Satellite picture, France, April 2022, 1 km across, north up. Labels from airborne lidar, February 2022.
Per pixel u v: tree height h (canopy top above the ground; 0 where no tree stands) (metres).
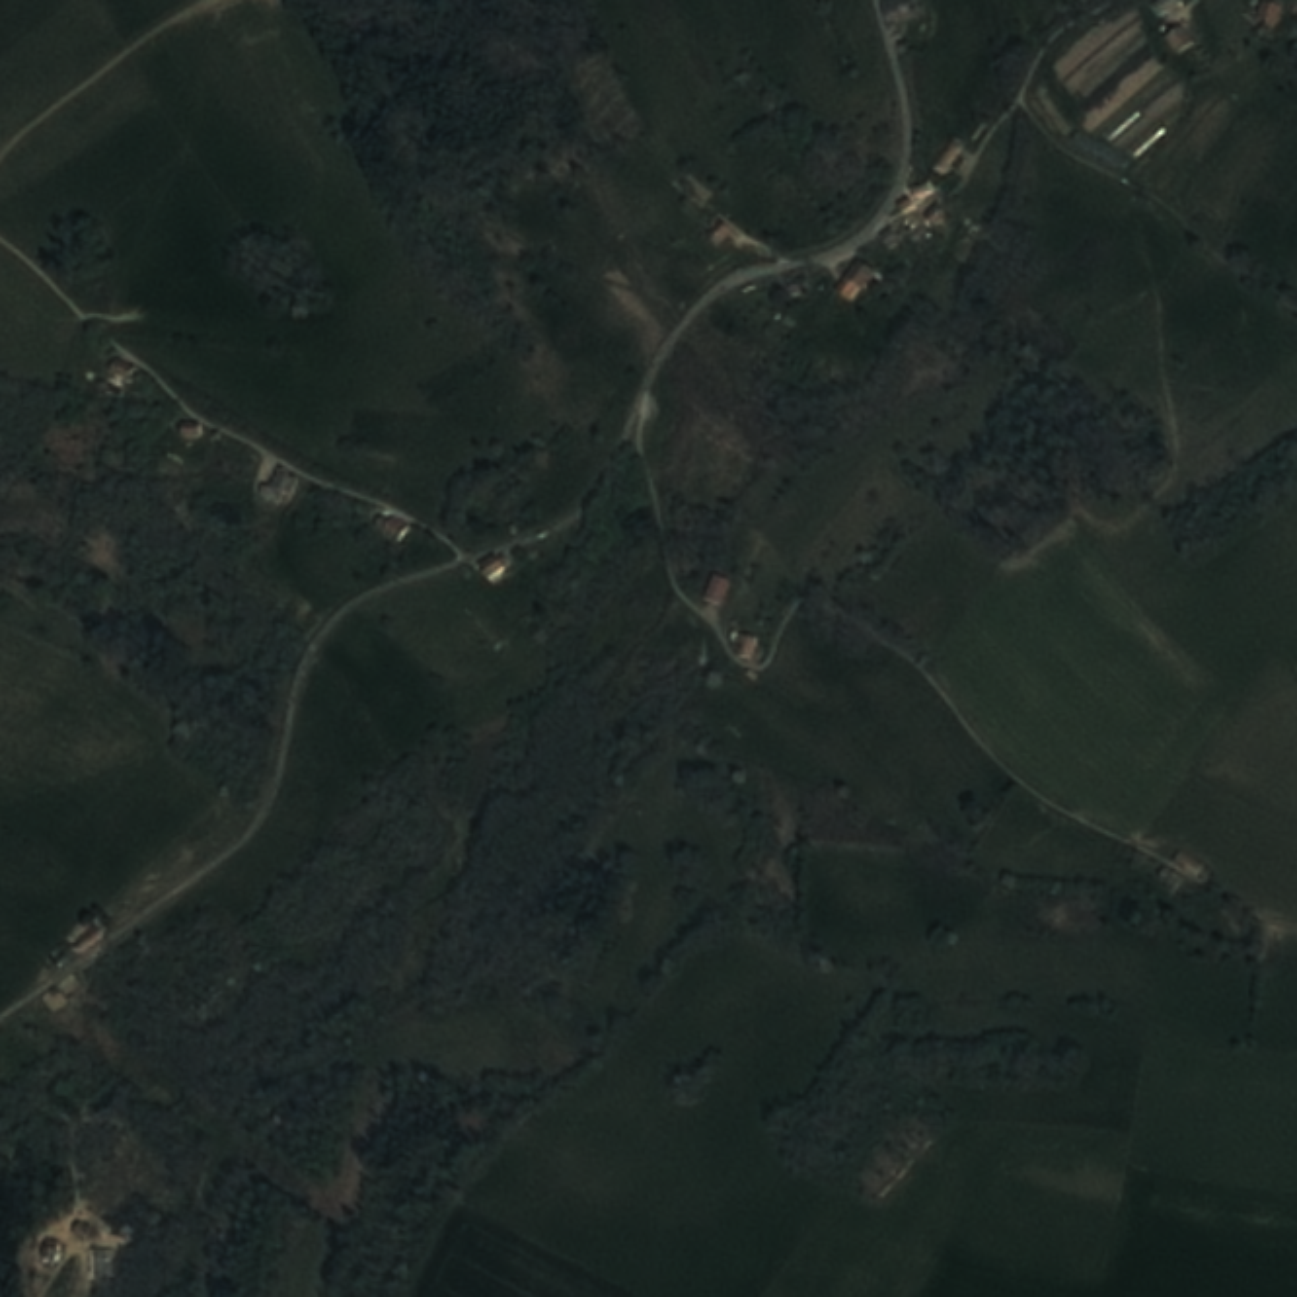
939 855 0
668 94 0
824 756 0
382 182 28
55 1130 22
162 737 0
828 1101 13
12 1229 16
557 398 0
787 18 0
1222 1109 0
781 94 6
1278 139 0
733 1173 0
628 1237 0
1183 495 0
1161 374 0
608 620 13
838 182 26
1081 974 0
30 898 0
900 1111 7
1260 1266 0
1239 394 0
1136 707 0
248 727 24
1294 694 0
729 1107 0
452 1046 0
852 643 25
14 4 0
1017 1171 0
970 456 0
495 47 33
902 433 0
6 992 0
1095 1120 0
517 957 22
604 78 0
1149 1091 0
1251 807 0
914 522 0
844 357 0
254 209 0
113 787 0
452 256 14
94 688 0
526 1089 9
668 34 0
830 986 0
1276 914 0
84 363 0
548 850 20
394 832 10
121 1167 0
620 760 7
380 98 21
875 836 0
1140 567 0
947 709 0
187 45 0
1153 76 0
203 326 0
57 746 0
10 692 0
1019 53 17
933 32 0
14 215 0
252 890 0
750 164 0
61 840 0
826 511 0
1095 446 31
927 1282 0
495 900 16
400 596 0
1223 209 0
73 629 0
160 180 0
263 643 6
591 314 0
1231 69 0
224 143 0
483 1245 0
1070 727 0
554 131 16
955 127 0
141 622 14
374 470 0
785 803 0
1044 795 0
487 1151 22
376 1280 10
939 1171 0
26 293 0
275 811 0
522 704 7
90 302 0
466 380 0
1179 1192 0
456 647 0
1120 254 0
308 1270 0
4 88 0
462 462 0
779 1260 0
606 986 0
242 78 0
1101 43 0
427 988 11
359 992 20
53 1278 0
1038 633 0
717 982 0
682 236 0
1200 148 0
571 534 0
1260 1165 0
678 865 19
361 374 0
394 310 0
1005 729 0
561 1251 0
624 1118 0
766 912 7
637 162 0
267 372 0
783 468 0
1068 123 0
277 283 26
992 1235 0
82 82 0
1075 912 0
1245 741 0
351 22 27
